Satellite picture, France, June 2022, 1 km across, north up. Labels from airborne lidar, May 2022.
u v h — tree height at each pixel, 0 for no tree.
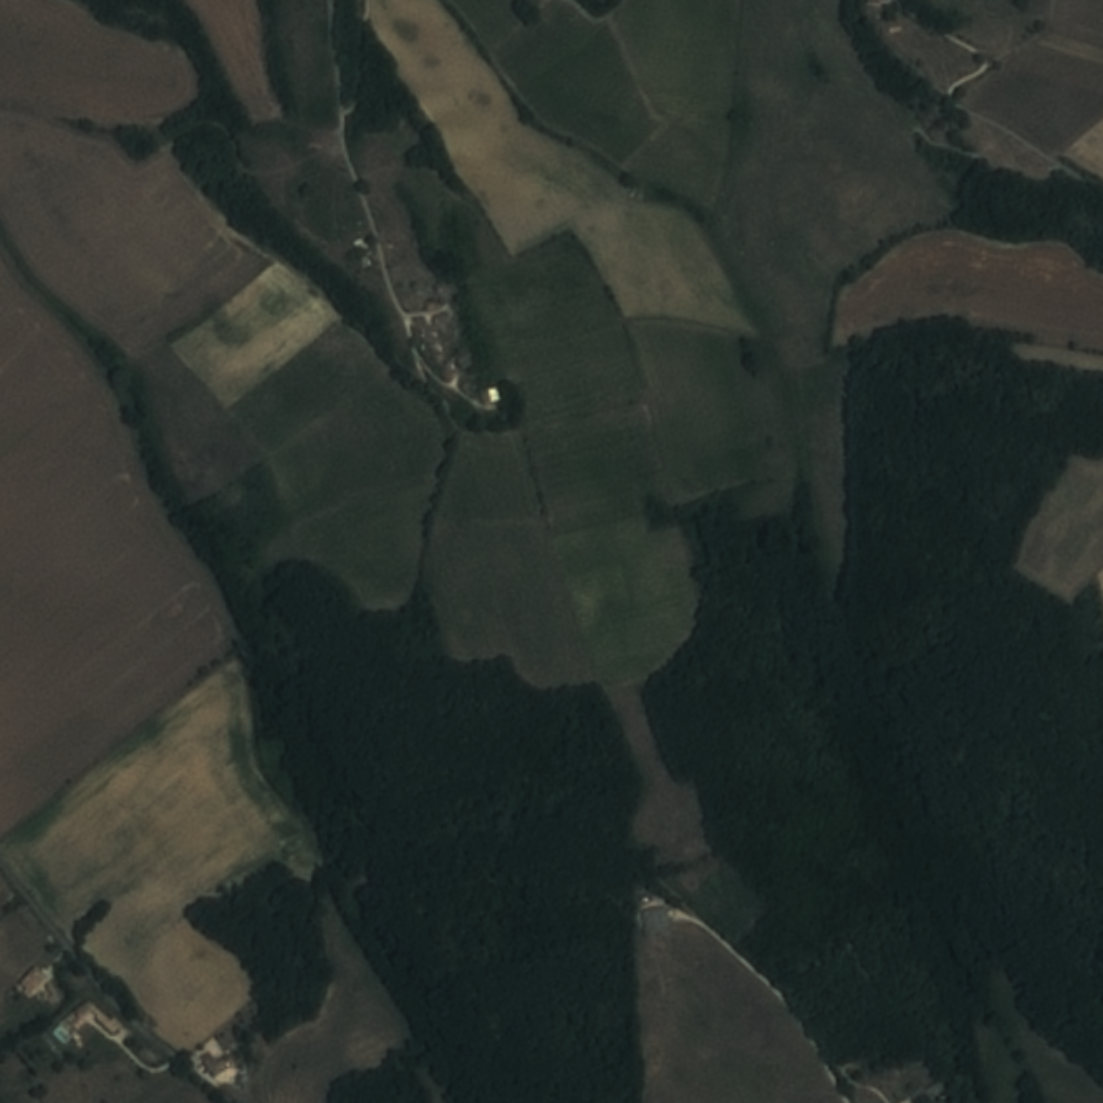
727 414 0
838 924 9
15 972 0
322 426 0
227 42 0
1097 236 8
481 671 11
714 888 0
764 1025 0
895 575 13
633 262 0
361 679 20
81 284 0
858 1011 18
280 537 0
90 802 0
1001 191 18
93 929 11
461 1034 27
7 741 0
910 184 0
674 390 0
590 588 0
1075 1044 23
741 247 0
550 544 0
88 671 0
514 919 9
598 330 0
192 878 0
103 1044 0
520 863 20
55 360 0
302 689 25
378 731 19
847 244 0
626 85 0
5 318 0
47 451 0
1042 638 16
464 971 19
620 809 15
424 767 16
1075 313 0
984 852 8
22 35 0
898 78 13
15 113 0
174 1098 0
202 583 0
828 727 16
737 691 17
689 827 0
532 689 11
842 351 6
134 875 0
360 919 15
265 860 0
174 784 0
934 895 14
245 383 0
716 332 0
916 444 15
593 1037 15
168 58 0
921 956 25
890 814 9
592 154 0
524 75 0
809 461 0
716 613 18
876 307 0
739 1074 0
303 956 16
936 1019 19
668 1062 0
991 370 21
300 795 22
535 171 0
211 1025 0
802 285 0
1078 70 0
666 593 0
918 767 21
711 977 0
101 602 0
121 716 0
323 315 0
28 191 0
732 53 0
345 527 0
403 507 0
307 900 18
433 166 14
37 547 0
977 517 10
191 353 0
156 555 0
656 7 0
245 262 0
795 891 10
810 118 0
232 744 0
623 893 12
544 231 0
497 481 0
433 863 18
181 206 0
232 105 7
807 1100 0
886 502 14
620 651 0
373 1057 0
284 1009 15
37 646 0
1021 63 0
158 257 0
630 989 14
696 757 12
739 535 26
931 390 16
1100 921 18
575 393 0
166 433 0
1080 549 0
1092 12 0
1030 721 20
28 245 0
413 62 0
